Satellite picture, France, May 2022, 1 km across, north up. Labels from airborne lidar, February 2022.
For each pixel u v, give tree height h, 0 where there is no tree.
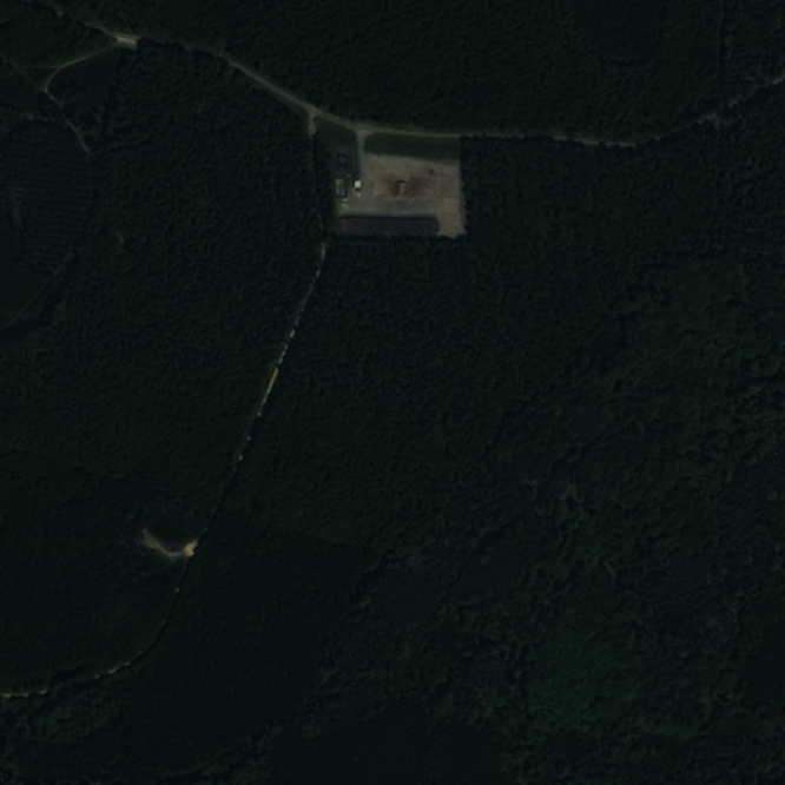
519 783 16
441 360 17
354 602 20
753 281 27
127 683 9
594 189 22
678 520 14
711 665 18
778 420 26
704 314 30
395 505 22
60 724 23
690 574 24
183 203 26
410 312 18
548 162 19
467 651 17
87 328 24
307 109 0
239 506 14
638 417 24
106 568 16
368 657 21
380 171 0
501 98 21
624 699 26
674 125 19
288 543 10
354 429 22
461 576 25
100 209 27
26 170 23
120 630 16
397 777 17
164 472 14
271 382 0
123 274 23
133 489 16
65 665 8
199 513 12
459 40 20
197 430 16
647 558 26
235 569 14
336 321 20
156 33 23
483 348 17
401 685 14
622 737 22
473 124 18
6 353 27
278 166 24
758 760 15
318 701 12
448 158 0
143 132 25
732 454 22
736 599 19
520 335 15
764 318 27
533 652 29
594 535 25
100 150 23
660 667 27
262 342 21
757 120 22
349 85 19
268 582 17
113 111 25
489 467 29
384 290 19
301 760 16
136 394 22
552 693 22
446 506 31
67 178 25
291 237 19
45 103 24
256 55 24
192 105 23
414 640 18
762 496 25
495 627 26
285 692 15
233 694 16
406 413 18
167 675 17
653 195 20
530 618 27
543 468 24
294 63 20
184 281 22
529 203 18
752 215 20
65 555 16
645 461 29
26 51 12
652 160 22
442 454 18
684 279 34
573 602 27
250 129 19
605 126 24
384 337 19
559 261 16
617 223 18
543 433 24
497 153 19
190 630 9
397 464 22
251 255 21
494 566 24
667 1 17
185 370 21
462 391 22
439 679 12
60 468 11
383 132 0
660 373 28
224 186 24
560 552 26
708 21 23
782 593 18
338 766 16
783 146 25
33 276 5
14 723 34
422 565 26
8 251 5
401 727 15
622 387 23
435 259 21
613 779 20
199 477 10
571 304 20
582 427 24
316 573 15
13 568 17
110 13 26
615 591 30
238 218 22
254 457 13
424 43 24
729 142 22
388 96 23
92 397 26
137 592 19
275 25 25
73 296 22
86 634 17
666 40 17
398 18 24
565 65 24
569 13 13
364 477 22
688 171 19
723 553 18
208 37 17
